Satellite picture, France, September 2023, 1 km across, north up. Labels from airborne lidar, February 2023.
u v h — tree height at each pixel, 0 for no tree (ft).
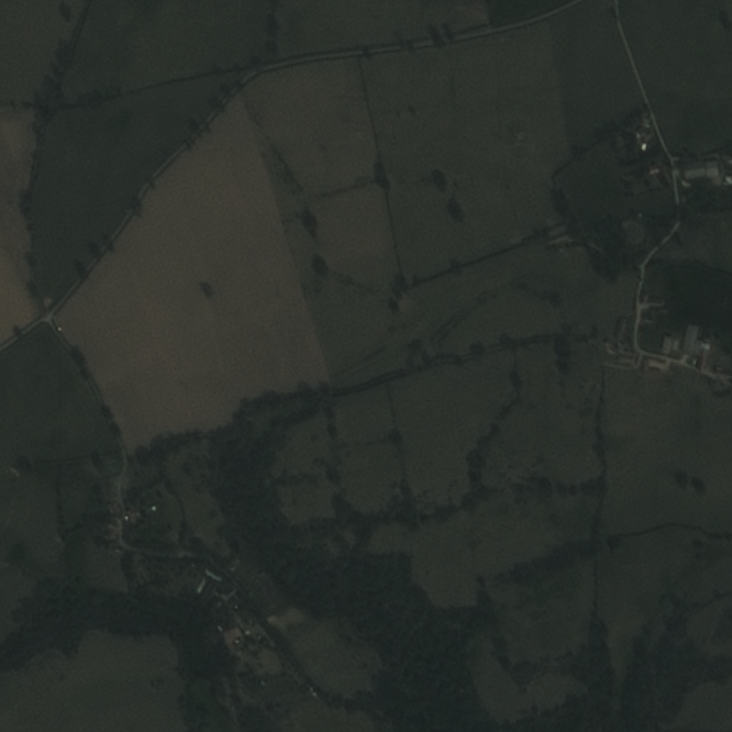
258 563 0
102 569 0
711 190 0
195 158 0
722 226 0
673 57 0
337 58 0
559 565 49
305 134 0
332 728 0
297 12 0
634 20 0
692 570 0
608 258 56
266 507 32
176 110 0
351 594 63
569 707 49
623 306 0
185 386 0
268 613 0
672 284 0
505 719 0
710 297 0
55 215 0
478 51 0
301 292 0
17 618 47
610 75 0
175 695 0
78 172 0
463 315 0
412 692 21
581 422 0
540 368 0
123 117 0
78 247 0
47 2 0
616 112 0
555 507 0
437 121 0
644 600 0
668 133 0
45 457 0
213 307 0
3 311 0
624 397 0
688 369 0
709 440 0
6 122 0
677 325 0
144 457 57
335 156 0
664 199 0
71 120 0
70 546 0
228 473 43
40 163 0
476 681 0
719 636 0
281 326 0
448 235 0
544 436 0
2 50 0
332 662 0
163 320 0
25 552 0
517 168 0
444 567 0
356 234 0
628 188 26
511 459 0
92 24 0
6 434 0
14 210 0
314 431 0
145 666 0
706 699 0
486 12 0
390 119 0
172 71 0
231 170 0
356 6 0
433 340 0
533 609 0
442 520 40
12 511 0
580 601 0
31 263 47
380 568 22
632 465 0
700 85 0
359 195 0
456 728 59
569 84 0
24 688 0
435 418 0
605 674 62
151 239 0
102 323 0
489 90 0
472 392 0
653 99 0
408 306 0
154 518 0
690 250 0
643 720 26
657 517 0
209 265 0
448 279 0
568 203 24
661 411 0
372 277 0
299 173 0
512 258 0
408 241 0
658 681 26
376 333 0
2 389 0
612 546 43
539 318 0
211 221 0
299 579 36
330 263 0
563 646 0
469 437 0
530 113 0
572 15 0
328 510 0
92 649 0
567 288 0
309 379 0
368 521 33
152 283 0
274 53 49
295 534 41
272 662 0
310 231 36
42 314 0
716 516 0
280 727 0
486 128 0
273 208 0
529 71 0
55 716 0
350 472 0
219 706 0
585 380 0
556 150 0
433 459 0
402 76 0
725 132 0
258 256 0
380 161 0
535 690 0
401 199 0
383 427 0
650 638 63
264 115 0
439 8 0
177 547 20
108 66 0
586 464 0
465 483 0
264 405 40
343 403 0
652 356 0
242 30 0
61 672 0
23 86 0
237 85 23
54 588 41
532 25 0
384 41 0
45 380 0
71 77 0
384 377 0
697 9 0
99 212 0
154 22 0
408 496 34
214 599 28
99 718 0
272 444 32
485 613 59
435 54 0
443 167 0
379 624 57
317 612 42
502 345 34
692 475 0
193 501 0
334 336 0
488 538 0
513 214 0
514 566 0
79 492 0
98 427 0
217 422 0
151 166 0
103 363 0
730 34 0
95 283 0
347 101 0
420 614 46
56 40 0
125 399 0
